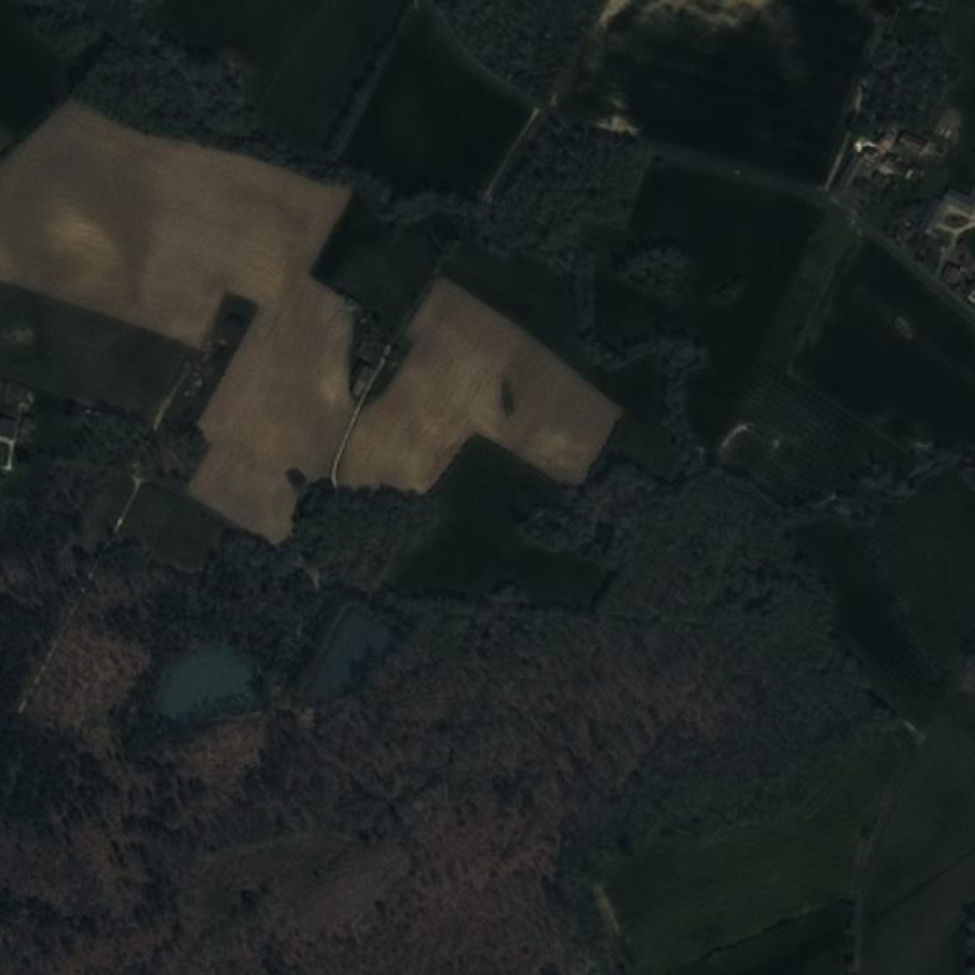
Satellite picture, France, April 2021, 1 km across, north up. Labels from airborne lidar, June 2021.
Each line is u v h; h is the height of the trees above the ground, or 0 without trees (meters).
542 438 0
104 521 0
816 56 0
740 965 0
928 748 0
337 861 0
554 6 11
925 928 0
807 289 0
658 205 0
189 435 21
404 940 7
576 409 0
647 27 0
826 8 0
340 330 0
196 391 0
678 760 21
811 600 23
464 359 0
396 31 6
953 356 0
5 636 13
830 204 0
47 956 15
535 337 0
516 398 0
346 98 0
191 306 0
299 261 0
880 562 14
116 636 19
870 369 0
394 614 24
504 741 19
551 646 19
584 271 17
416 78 0
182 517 0
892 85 7
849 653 13
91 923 10
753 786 23
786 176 0
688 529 15
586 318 14
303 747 16
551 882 14
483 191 11
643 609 16
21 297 0
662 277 8
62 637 15
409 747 13
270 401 0
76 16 14
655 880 0
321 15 0
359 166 7
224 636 18
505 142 0
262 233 0
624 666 17
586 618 18
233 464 0
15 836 10
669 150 0
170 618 19
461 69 0
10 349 0
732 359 0
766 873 0
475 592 0
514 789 14
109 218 0
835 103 0
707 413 0
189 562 0
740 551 15
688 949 0
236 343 0
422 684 19
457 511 0
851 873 0
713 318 0
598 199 21
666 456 0
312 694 0
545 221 16
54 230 0
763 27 0
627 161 20
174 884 15
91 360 0
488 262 0
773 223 0
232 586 18
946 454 17
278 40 0
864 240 0
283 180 0
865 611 0
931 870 0
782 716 18
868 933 0
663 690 19
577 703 10
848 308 0
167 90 22
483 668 13
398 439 0
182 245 0
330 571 13
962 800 0
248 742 0
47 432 0
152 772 14
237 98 25
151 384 0
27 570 13
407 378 0
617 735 21
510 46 7
